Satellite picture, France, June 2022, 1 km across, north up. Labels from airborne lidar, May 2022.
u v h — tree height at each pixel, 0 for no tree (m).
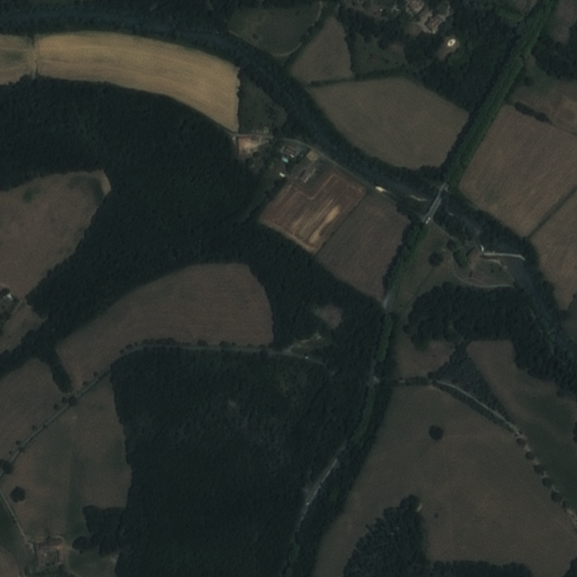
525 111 15
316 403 19
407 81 0
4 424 0
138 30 18
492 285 0
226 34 11
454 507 0
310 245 0
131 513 16
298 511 14
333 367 17
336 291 21
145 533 15
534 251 15
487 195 0
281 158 7
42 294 16
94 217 10
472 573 15
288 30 0
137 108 17
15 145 23
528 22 26
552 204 0
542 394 0
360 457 19
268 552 9
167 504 12
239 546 9
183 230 26
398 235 0
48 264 0
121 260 25
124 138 20
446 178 28
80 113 18
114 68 0
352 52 7
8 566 0
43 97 18
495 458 0
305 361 8
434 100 0
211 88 0
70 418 0
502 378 0
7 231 0
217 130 21
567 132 0
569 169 0
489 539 0
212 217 20
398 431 0
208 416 13
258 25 0
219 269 0
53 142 20
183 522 16
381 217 0
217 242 14
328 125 19
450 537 0
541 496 0
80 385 0
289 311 21
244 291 0
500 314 24
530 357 23
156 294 0
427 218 0
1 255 0
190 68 0
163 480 11
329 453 19
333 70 0
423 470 0
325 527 22
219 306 0
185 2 21
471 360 14
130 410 11
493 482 0
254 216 14
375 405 20
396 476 0
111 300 13
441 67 13
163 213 19
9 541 0
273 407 13
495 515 0
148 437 7
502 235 17
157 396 13
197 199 20
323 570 0
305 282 25
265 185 0
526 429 0
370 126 0
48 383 0
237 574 10
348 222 0
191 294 0
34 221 0
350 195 0
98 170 12
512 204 0
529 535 0
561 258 0
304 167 0
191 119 16
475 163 0
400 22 19
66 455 0
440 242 0
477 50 11
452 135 0
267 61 16
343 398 20
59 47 0
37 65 0
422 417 0
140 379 11
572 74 10
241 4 14
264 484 10
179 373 10
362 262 0
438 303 17
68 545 0
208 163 23
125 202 20
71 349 0
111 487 0
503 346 0
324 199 0
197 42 14
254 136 0
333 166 0
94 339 0
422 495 0
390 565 8
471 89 11
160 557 13
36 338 26
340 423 18
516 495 0
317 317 20
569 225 0
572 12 0
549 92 0
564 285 0
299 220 0
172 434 13
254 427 10
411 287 0
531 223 0
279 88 15
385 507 0
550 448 0
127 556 15
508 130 0
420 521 19
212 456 10
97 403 0
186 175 16
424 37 15
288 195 0
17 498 17
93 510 20
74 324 14
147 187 19
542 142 0
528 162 0
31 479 0
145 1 21
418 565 8
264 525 7
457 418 0
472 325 19
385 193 0
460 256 22
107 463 0
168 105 23
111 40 0
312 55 0
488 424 0
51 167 19
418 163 0
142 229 25
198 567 12
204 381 15
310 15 0
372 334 21
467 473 0
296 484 16
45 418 0
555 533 0
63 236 0
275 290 19
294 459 20
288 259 27
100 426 0
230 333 0
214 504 14
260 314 0
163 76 0
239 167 24
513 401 0
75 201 0
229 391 11
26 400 0
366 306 18
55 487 0
